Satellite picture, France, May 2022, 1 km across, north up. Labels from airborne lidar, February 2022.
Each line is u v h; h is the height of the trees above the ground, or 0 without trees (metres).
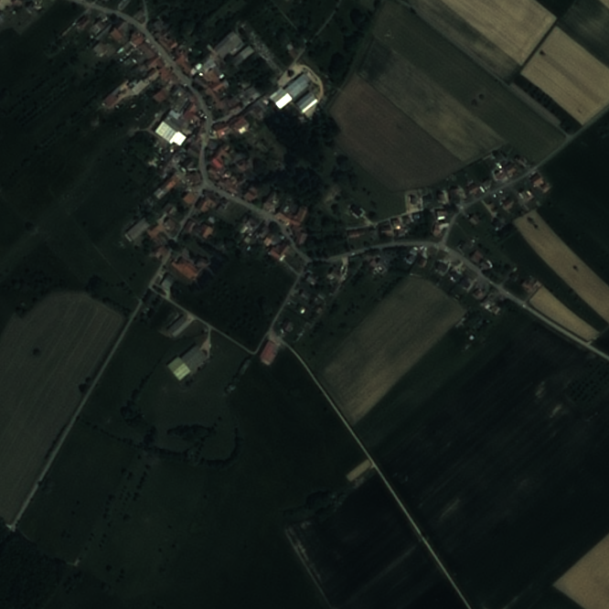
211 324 0
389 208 0
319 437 0
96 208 0
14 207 0
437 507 0
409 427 0
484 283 0
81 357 0
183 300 0
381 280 0
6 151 0
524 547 0
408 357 0
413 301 0
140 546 0
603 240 0
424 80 0
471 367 0
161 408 0
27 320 0
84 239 0
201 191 0
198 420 0
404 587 0
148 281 0
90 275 0
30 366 0
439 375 0
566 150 0
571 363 0
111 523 7
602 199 0
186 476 0
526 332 0
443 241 0
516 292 0
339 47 0
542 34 0
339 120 0
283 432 0
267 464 0
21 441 0
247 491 0
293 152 41
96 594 0
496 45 0
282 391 0
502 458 0
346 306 0
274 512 0
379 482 0
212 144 0
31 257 0
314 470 0
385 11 0
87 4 0
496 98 0
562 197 0
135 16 0
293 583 0
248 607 0
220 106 0
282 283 0
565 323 0
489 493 0
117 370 0
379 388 0
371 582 0
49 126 0
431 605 0
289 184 24
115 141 0
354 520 0
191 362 0
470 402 0
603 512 0
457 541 0
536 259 0
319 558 0
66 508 0
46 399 0
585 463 0
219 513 0
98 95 6
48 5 0
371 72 0
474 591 0
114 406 0
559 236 0
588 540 0
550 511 0
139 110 0
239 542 0
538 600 0
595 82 0
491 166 0
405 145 0
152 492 0
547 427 0
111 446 0
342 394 0
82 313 0
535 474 0
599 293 0
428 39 0
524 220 0
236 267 0
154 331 0
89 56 0
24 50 0
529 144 0
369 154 0
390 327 0
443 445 0
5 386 0
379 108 0
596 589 0
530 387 0
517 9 0
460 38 0
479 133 0
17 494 0
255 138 0
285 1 0
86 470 0
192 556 0
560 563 0
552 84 0
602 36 0
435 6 0
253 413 0
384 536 0
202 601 0
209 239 8
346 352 0
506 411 0
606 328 0
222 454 0
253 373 0
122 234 0
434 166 0
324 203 0
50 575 19
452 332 0
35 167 0
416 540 0
